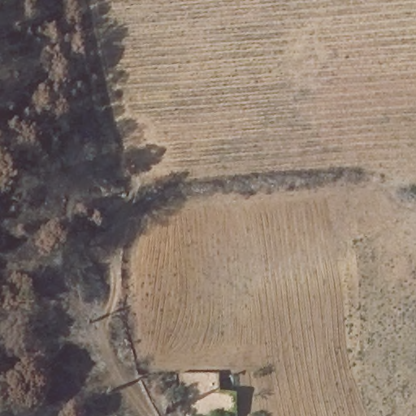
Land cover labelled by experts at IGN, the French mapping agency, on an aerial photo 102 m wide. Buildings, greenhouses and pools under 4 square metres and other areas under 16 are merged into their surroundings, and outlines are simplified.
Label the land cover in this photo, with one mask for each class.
<instances>
[{"label":"agricultural land","instance_id":"1","mask_svg":"<svg viewBox=\"0 0 416 416\"><path fill-rule=\"evenodd\" d=\"M130 309L135 312L133 338L136 353L140 357V361L135 362L136 372L143 379L149 374V370H175L179 372V377L182 374H218L221 392L229 393L234 400V416H416V185L385 187V182L380 180V177H374L361 180L359 184L340 179L335 184L305 190L279 188L278 192L270 195L255 193L252 197H244L239 193L218 192L211 197L187 200L179 213L172 214L169 218V226L154 224L135 240L130 250L128 302Z\"/></svg>","mask_w":416,"mask_h":416},{"label":"vineyard","instance_id":"2","mask_svg":"<svg viewBox=\"0 0 416 416\"><path fill-rule=\"evenodd\" d=\"M89 8L93 15L97 55L101 58L102 71L106 73L112 114L120 135L123 136V151L120 156L123 177H127L136 190H140L141 185L151 184L159 177L174 172H188L187 180H190L250 172L309 171L328 167H361L364 171H374V177H380V180L385 182V187L416 185V0H91Z\"/></svg>","mask_w":416,"mask_h":416},{"label":"coniferous trees","instance_id":"3","mask_svg":"<svg viewBox=\"0 0 416 416\"><path fill-rule=\"evenodd\" d=\"M91 0H0V19L5 23L3 34L10 41L11 50L16 54L21 50H29L34 58L28 63L26 84L31 89L28 96L24 99H11L8 94L0 91V416H71L75 413V403L71 398L84 387L89 370L94 367V361L88 349L71 341L70 327L73 318L67 314L70 309L68 291L75 284H81L84 302H109L110 309L114 310L119 307L120 297L128 302L130 250L135 240L154 224L169 226V218L172 214L179 213L187 200L182 195V190L193 187L190 180H187L188 172H174L159 177L151 184L141 185L140 190H136L127 177H123L120 156L123 151V136L120 135L112 114L106 73L102 71L101 58L97 55L93 15L89 8Z\"/></svg>","mask_w":416,"mask_h":416},{"label":"herbaceous vegetation","instance_id":"4","mask_svg":"<svg viewBox=\"0 0 416 416\"><path fill-rule=\"evenodd\" d=\"M70 309L67 314L73 318L70 327L71 341L88 349L94 361V367L89 370L84 387L71 398L75 403V413L71 416H146L149 408L143 398L146 390L143 379L136 372L135 362L132 349H119L117 354H112L109 327L112 318L89 323V318L99 317L114 310L110 309L109 302H84L81 284H75L68 291Z\"/></svg>","mask_w":416,"mask_h":416},{"label":"brushwood","instance_id":"5","mask_svg":"<svg viewBox=\"0 0 416 416\"><path fill-rule=\"evenodd\" d=\"M374 177V171H364L361 167H328L309 171L250 172L190 180L193 187L182 190V195L187 200L211 197L218 192L239 193L244 197H252L255 193L270 195L278 192L279 188L305 190L335 184L340 179L359 184L361 180ZM112 318L109 327L112 354H117L119 349H132L135 362L140 361V357L136 353L133 338L135 312L130 309L128 302L120 297L119 307L114 310L99 317L89 318V323Z\"/></svg>","mask_w":416,"mask_h":416},{"label":"deciduous trees","instance_id":"6","mask_svg":"<svg viewBox=\"0 0 416 416\"><path fill-rule=\"evenodd\" d=\"M146 390L143 398L149 408L146 416H200L193 406L200 400L197 383L187 385L179 377V372L175 370H149V374L143 379Z\"/></svg>","mask_w":416,"mask_h":416},{"label":"bare soil","instance_id":"7","mask_svg":"<svg viewBox=\"0 0 416 416\"><path fill-rule=\"evenodd\" d=\"M5 23L0 19V91L8 94L11 99H24L28 96L31 89L26 84L28 63L34 58L29 50H21L16 54L11 50L10 41L3 34Z\"/></svg>","mask_w":416,"mask_h":416},{"label":"building","instance_id":"8","mask_svg":"<svg viewBox=\"0 0 416 416\"><path fill-rule=\"evenodd\" d=\"M187 385L197 383L200 400L193 406L200 416H234V400L229 393L221 392L218 374H182L179 377Z\"/></svg>","mask_w":416,"mask_h":416}]
</instances>
